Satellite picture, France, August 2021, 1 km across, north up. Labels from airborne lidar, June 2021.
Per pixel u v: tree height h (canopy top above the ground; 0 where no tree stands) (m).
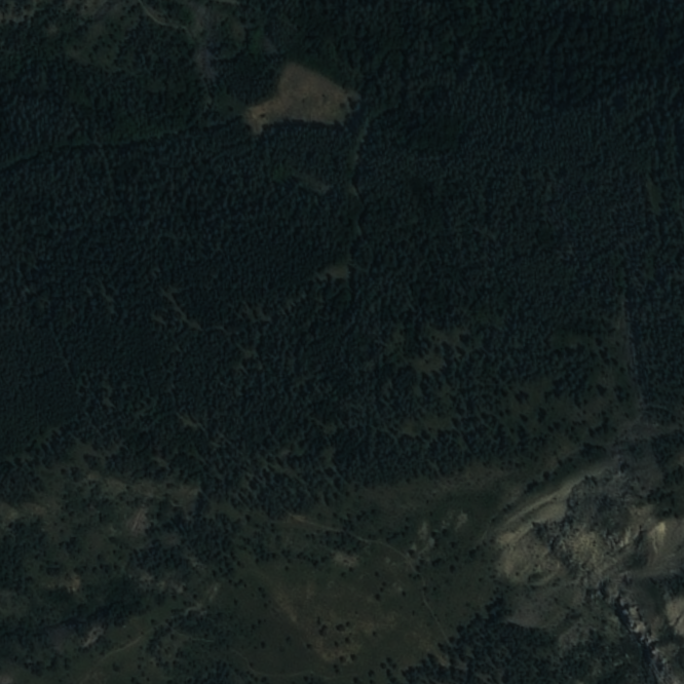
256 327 11
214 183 18
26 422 18
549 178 17
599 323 8
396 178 29
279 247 15
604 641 14
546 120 25
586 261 18
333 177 24
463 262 30
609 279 14
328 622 0
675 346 8
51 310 7
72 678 0
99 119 10
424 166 28
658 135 18
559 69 13
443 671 18
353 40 13
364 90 9
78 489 6
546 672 20
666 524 0
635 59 18
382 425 31
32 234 31
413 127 12
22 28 15
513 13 17
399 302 26
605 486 0
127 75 7
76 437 18
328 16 25
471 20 21
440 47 27
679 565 0
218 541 18
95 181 29
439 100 15
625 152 25
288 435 17
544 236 19
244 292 15
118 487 0
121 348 16
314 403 13
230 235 19
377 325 29
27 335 23
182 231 26
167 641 0
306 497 26
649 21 6
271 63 16
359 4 6
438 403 26
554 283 28
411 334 11
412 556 15
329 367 12
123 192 19
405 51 18
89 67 9
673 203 9
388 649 0
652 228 16
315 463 28
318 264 16
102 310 16
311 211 17
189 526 16
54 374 19
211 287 10
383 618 0
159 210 24
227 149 17
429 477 20
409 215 27
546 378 22
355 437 29
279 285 14
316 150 34
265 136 11
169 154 24
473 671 18
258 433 17
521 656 22
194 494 0
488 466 12
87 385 23
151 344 18
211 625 6
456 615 0
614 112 23
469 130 19
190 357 13
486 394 18
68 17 11
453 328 30
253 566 0
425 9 33
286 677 0
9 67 6
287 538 0
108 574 11
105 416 24
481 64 24
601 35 19
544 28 18
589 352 18
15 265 26
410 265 13
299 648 0
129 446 15
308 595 0
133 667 0
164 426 16
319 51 21
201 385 21
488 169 18
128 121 14
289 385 22
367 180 22
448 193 18
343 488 21
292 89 0
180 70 10
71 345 17
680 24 6
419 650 0
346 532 12
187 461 19
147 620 0
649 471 0
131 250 20
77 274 17
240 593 0
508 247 32
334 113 0
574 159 28
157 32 11
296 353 10
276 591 0
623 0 25
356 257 16
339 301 20
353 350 15
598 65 13
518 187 28
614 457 0
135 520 0
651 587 0
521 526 0
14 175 15
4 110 16
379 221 21
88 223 20
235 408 24
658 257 11
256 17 22
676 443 13
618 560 0
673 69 9
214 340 19
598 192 18
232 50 17
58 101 16
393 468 29
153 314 11
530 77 16
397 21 15
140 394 11
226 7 7
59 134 29
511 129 29
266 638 0
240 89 19
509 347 26
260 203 20
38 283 23
